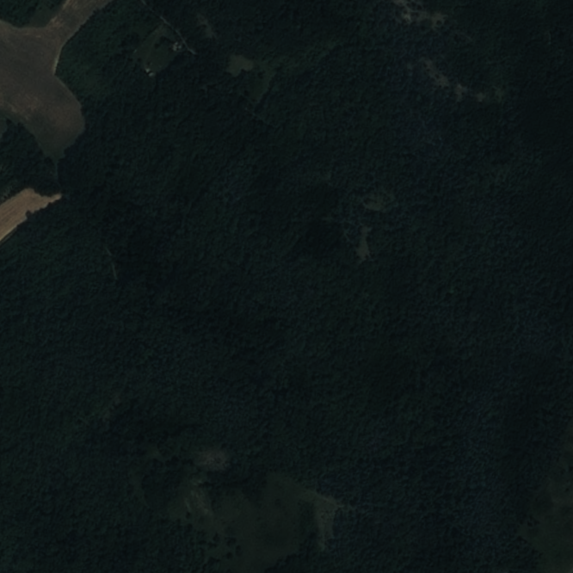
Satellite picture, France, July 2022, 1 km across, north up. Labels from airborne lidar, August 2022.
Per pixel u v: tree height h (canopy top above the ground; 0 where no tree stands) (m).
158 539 10
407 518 17
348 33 16
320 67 9
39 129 0
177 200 18
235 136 14
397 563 11
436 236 16
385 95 20
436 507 11
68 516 34
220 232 19
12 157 9
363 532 16
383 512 14
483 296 9
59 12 0
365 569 7
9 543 10
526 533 0
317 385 12
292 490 0
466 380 15
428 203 18
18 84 0
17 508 20
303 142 11
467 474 18
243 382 26
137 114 19
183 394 15
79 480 24
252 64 0
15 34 0
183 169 16
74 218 19
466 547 13
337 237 5
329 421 21
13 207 0
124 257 12
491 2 6
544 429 13
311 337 16
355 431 18
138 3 11
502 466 11
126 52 11
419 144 21
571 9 14
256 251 20
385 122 20
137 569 20
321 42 9
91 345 16
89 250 19
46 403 7
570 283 12
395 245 10
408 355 14
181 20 13
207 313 14
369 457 26
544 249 12
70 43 5
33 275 18
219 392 20
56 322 25
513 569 8
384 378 19
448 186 17
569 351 8
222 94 19
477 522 21
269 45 9
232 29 12
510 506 9
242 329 10
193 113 12
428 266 13
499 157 16
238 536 0
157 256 24
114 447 13
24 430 12
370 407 18
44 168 20
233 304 10
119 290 20
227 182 14
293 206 18
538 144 14
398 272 17
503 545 20
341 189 9
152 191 22
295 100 13
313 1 18
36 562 21
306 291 15
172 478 12
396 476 14
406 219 17
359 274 10
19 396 9
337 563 12
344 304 11
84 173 23
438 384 29
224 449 25
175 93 17
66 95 0
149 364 28
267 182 14
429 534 16
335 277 10
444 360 24
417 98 27
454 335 11
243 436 18
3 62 0
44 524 29
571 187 7
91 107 11
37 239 20
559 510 0
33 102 0
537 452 14
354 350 18
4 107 0
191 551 9
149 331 30
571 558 0
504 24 8
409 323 14
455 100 10
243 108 19
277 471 14
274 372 21
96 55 6
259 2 18
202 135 6
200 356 21
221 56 8
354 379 17
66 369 19
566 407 14
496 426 18
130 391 20
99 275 21
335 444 20
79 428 7
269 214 13
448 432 15
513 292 16
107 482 16
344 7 25
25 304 25
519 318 8
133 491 15
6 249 8
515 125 16
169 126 15
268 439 23
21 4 7
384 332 13
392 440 22
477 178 15
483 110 8
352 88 19
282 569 13
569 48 15
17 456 20
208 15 12
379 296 11
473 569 8
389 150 22
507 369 10
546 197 8
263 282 22
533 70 12
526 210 10
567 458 0
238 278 20
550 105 11
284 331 19
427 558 18
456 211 22
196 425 14
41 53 0
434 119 7
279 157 17
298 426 31
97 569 24
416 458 25
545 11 9
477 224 19
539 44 8
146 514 12
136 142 16
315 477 7
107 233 27
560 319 13
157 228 22
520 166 11
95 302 18
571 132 15
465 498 17
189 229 21
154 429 6
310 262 15
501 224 18
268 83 0
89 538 31
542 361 13
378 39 20
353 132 22
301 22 11
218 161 13
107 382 16
